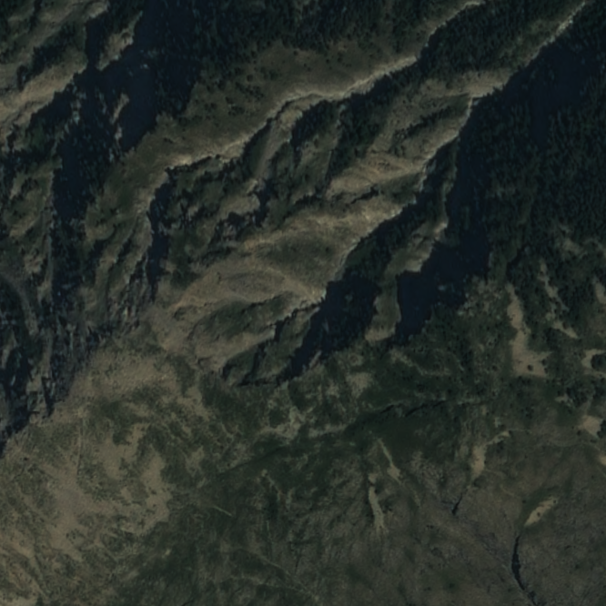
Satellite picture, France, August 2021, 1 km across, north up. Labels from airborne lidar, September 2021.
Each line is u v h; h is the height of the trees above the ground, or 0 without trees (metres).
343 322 7
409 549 0
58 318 0
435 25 0
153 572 0
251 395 0
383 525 0
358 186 0
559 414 0
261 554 0
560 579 0
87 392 0
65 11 0
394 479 0
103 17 12
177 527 0
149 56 0
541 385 0
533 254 9
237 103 0
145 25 0
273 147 0
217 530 0
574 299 8
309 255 0
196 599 0
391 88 8
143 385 0
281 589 0
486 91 0
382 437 0
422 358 0
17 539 0
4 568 0
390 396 0
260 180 0
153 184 0
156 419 0
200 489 0
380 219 0
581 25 12
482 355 0
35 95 0
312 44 8
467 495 0
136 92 0
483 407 0
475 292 0
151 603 0
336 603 0
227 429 0
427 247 0
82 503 0
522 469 0
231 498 0
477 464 0
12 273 0
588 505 0
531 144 7
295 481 0
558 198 23
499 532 0
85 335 0
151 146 0
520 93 7
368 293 10
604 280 12
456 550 0
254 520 0
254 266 0
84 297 0
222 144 0
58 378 0
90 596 0
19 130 16
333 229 0
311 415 0
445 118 7
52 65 15
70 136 0
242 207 0
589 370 0
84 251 0
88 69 0
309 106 0
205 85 6
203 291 0
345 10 15
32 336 0
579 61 7
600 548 0
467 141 7
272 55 0
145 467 0
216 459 0
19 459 0
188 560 0
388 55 0
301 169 0
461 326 0
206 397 0
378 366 0
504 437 0
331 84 0
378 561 0
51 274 0
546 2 14
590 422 0
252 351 0
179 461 0
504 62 9
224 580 0
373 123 0
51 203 0
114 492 0
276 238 0
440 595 0
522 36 7
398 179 0
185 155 0
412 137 8
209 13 10
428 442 0
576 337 0
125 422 0
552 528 0
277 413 0
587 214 11
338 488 0
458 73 9
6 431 0
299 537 0
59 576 0
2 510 0
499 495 0
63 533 0
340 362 0
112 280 0
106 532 0
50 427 0
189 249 0
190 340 0
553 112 7
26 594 0
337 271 0
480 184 8
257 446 0
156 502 0
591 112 13
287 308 0
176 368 0
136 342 0
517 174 11
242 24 8
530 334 0
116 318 0
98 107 16
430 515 0
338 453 0
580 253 0
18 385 0
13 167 8
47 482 0
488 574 0
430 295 21
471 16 8
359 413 0
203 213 11
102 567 0
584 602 0
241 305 0
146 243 0
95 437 0
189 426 0
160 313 0
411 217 8
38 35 0
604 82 30
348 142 11
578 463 0
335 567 0
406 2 14
